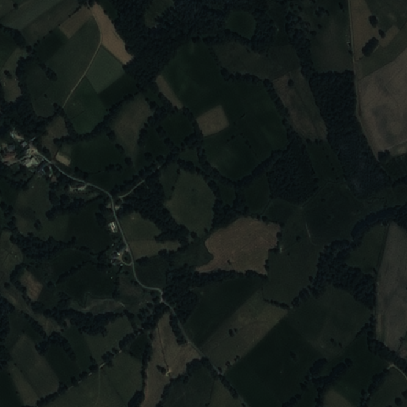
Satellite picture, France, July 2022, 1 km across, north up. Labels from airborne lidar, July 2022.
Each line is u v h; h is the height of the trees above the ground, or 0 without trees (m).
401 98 0
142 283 0
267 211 0
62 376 0
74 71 0
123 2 9
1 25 14
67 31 0
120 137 0
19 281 8
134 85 0
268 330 0
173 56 17
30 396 0
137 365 0
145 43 19
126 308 0
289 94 0
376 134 0
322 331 0
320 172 0
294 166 13
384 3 0
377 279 0
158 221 19
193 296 15
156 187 15
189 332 0
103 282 0
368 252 0
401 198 0
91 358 14
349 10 0
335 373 21
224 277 17
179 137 0
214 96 0
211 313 0
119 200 7
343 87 22
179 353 0
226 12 26
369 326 15
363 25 0
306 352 0
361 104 0
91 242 0
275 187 10
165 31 28
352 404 0
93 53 0
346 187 0
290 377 0
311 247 0
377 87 0
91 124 0
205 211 0
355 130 23
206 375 0
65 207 20
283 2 18
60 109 15
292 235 0
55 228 0
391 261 0
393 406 0
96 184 0
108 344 0
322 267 17
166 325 0
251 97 0
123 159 0
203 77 0
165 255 21
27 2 0
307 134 0
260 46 26
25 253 11
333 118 20
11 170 6
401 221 18
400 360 17
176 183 0
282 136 0
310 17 0
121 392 0
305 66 23
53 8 0
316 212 0
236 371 0
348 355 0
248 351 0
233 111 0
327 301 0
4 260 0
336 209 0
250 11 14
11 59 0
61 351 0
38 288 0
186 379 16
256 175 22
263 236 0
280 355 0
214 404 0
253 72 0
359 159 29
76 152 0
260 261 0
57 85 0
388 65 0
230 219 18
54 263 0
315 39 0
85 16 0
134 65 21
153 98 0
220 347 0
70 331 0
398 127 0
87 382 0
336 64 0
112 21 8
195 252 0
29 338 0
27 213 0
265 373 0
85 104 0
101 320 25
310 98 0
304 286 0
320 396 16
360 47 0
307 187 8
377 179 26
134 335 13
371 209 0
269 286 0
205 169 23
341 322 0
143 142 15
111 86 0
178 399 0
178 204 0
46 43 0
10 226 15
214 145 0
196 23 24
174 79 0
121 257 0
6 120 20
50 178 18
